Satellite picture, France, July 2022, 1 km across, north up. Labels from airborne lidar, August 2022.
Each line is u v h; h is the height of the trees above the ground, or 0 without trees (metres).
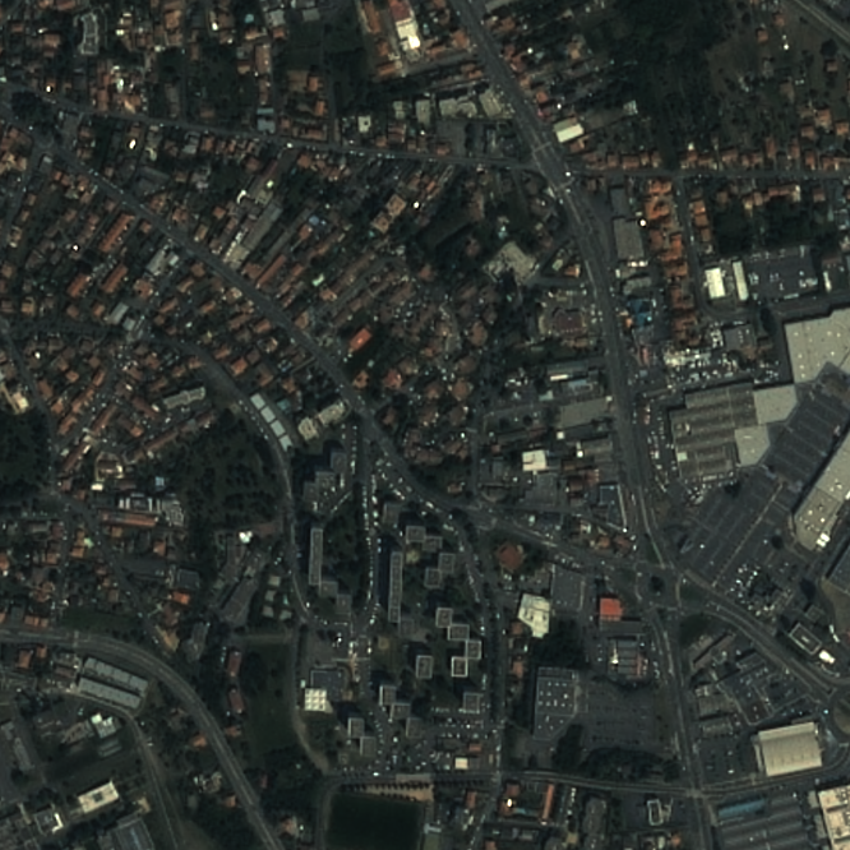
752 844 0
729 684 0
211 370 0
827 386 0
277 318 0
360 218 7
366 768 0
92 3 8
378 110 11
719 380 0
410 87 8
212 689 9
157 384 0
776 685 7
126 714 0
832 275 0
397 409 12
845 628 0
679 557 0
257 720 0
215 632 12
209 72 8
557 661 17
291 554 0
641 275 0
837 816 0
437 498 0
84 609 0
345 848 0
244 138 0
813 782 0
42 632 0
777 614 7
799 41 0
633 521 0
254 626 7
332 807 0
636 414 0
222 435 9
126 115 0
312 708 0
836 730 0
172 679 0
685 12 0
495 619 10
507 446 7
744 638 0
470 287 0
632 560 0
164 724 9
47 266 7
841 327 0
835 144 0
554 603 0
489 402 9
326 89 0
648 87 7
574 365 0
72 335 12
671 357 0
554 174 0
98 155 9
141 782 7
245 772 8
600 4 0
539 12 6
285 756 6
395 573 0
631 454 0
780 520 0
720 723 0
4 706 0
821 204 15
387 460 0
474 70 7
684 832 0
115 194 0
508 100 0
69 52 14
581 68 0
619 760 6
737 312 0
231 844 7
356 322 0
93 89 0
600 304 0
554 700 0
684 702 0
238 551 0
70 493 7
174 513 0
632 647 0
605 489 0
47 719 0
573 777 0
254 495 7
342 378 0
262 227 0
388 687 0
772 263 0
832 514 0
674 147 7
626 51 7
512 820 6
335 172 0
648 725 0
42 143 0
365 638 0
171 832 0
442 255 9
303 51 0
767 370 0
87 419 0
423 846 0
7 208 7
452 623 0
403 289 0
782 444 0
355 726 0
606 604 0
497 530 0
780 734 0
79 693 0
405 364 0
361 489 12
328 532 12
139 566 0
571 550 0
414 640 0
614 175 0
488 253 13
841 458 0
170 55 8
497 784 0
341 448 0
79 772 0
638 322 0
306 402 14
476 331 0
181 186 9
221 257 0
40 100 12
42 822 0
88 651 0
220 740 0
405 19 0
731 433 0
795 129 6
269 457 13
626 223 0
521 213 0
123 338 6
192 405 0
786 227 12
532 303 13
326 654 0
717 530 0
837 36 0
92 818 0
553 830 7
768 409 0
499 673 9
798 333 0
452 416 0
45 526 0
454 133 0
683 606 0
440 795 7
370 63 0
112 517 0
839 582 0
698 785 0
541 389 15
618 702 0
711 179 10
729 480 0
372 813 0
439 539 0
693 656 0
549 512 0
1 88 0
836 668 0
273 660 0
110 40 8
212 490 11
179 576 0
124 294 11
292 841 6
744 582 0
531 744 0
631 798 0
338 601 0
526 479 0
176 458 7
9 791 0
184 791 6
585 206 0
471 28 0
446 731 0
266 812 9
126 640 7
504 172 6
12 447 7
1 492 7
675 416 0
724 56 0
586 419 0
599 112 0
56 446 0
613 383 0
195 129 0
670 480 0
